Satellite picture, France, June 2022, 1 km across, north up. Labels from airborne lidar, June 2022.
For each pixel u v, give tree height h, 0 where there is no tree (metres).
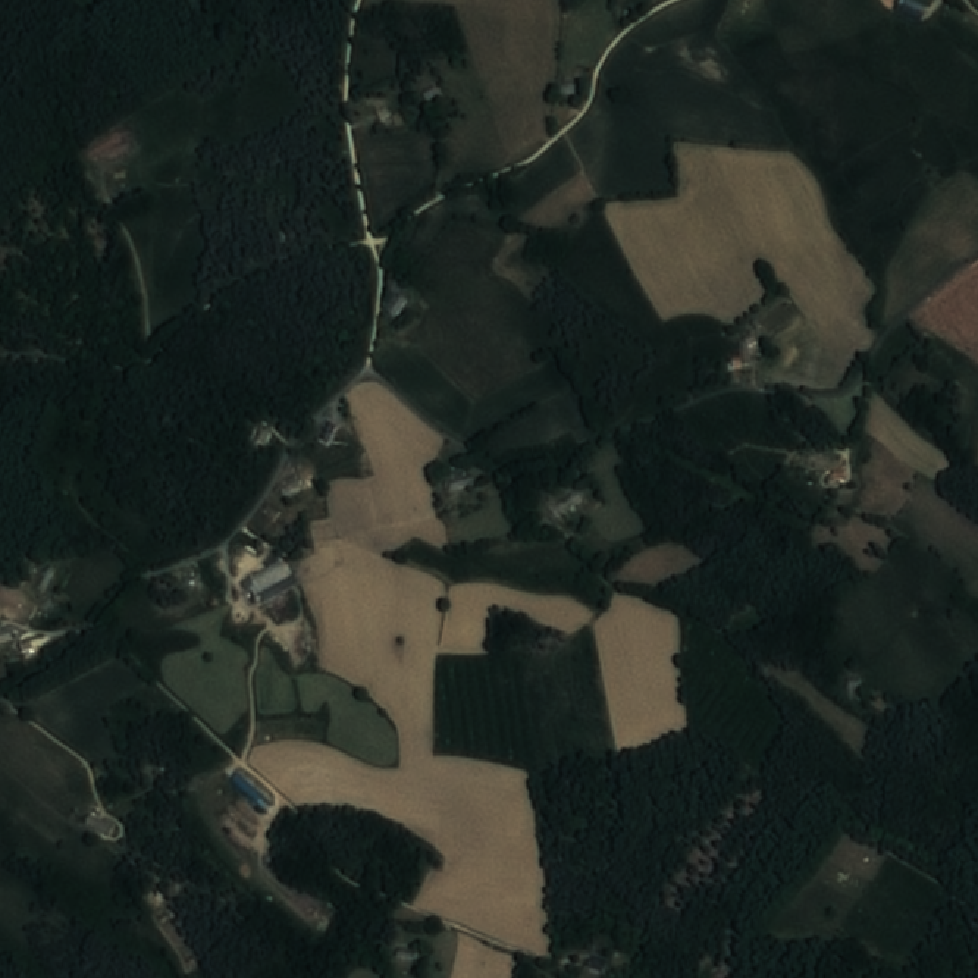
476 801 0
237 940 18
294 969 9
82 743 0
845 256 0
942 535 0
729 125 0
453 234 0
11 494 29
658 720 0
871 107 0
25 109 29
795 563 24
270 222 12
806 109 0
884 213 0
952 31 0
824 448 15
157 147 0
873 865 0
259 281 17
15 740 0
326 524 0
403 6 6
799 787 15
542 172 0
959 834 13
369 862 6
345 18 20
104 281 21
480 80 0
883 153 0
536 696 0
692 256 0
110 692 0
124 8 28
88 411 17
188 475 16
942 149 0
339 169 12
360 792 0
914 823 19
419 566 0
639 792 27
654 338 0
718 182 0
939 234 0
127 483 16
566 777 18
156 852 16
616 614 0
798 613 20
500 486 13
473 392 0
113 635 18
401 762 0
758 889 28
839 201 0
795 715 19
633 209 0
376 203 0
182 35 29
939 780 24
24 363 14
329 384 10
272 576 0
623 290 0
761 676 17
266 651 0
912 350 9
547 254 11
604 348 0
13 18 17
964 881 22
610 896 10
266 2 20
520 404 0
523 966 12
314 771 0
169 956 6
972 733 19
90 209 18
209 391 15
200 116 0
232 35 18
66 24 28
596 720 0
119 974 18
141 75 33
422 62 11
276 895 0
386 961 19
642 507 16
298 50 17
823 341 0
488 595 0
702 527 16
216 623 0
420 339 0
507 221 16
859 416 9
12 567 26
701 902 22
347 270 15
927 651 0
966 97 0
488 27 0
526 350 0
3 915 0
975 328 0
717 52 0
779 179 0
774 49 0
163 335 19
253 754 0
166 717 13
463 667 0
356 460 0
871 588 0
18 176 28
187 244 0
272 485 0
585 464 19
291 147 15
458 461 17
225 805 0
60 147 20
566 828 15
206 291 10
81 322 19
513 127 0
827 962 21
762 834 22
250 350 18
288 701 0
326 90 8
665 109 0
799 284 0
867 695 15
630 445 15
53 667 22
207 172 0
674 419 15
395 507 0
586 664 0
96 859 0
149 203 20
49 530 30
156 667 0
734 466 11
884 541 0
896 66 0
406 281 13
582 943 10
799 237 0
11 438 28
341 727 0
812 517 8
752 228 0
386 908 16
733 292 0
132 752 12
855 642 0
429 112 20
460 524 0
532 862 0
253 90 0
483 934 0
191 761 11
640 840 22
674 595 22
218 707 0
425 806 0
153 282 0
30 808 0
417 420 0
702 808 18
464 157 0
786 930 0
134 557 14
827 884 0
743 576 25
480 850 0
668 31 0
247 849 0
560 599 0
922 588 0
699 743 24
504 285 0
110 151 0
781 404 15
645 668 0
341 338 13
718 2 0
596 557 9
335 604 0
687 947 15
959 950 16
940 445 12
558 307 13
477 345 0
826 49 0
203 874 16
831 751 18
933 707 26
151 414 16
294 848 12
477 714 0
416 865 10
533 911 0
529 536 23
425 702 0
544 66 0
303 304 19
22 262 14
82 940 9
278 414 15
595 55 0
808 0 0
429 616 0
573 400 0
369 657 0
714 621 17
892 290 0
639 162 0
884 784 13
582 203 0
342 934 16
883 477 0
